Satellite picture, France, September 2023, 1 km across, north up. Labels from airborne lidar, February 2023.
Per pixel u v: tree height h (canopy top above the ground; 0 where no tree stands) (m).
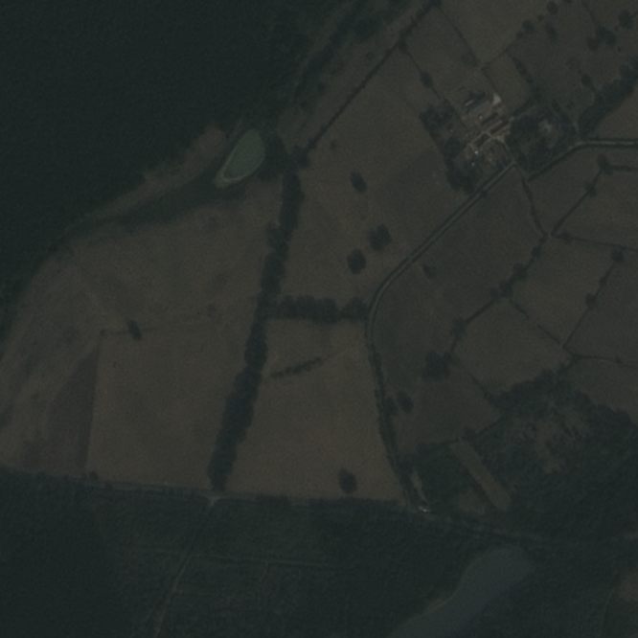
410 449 0
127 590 8
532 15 0
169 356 0
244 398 20
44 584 20
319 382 0
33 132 27
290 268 0
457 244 0
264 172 6
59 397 0
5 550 15
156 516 6
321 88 8
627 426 15
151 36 28
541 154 16
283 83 17
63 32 26
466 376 0
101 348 0
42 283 0
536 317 0
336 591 14
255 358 17
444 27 0
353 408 0
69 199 25
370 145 0
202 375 0
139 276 0
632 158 0
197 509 10
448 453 14
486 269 0
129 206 0
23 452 0
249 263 0
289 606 13
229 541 10
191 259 0
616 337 0
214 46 27
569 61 0
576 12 0
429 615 0
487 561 0
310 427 0
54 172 31
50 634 16
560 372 8
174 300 0
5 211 28
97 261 0
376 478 0
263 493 0
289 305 18
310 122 0
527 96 0
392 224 0
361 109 0
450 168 13
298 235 0
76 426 0
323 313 19
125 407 0
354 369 0
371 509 17
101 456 0
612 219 0
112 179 27
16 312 0
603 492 19
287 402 0
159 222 0
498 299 16
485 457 8
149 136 26
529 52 0
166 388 0
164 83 28
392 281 0
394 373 0
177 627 12
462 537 12
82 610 15
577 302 0
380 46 0
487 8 0
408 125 0
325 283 0
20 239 29
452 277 0
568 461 14
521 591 16
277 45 7
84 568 17
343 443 0
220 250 0
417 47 0
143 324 0
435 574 13
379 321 0
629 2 0
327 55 16
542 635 14
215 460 16
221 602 9
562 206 0
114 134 28
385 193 0
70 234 0
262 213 0
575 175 0
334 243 0
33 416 0
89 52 29
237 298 0
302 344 0
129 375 0
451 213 0
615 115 0
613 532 13
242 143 0
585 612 19
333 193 0
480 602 0
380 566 7
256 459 0
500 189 0
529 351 0
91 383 0
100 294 0
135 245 0
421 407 0
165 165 0
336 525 15
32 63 27
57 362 0
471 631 21
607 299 0
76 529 18
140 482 0
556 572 14
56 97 29
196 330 0
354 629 12
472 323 0
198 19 28
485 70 0
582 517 19
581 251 0
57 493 17
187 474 0
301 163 15
